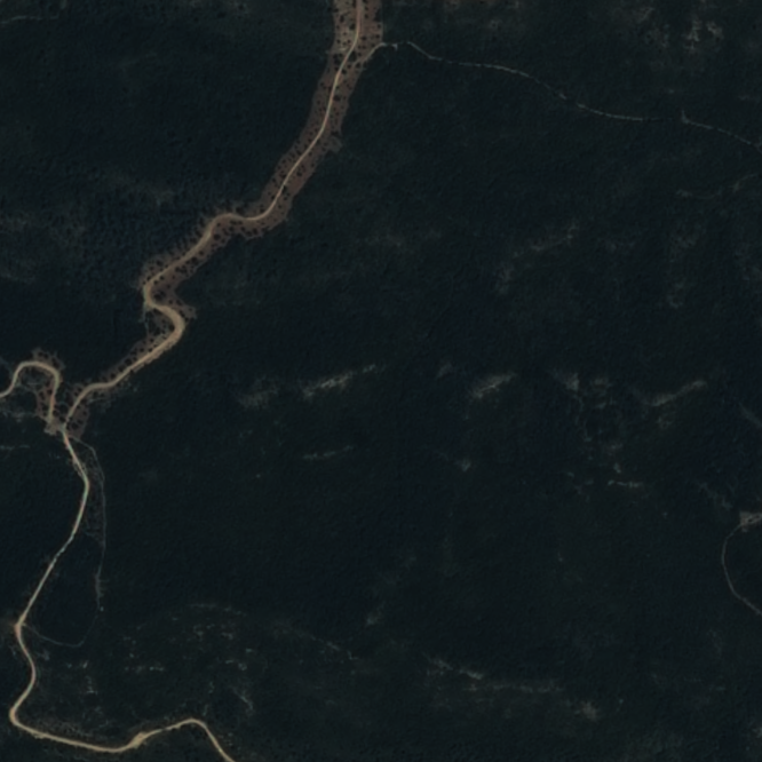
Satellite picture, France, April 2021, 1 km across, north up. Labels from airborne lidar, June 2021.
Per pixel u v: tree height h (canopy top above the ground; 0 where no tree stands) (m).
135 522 6
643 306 5
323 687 0
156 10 12
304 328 7
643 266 6
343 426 7
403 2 0
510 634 8
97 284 10
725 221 5
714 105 6
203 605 0
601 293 6
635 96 6
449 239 6
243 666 0
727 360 9
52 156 6
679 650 5
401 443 7
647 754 6
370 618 0
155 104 6
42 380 0
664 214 5
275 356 6
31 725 0
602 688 6
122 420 5
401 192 7
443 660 0
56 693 0
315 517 6
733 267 6
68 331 6
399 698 6
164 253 6
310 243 6
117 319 6
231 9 0
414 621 5
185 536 10
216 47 5
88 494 0
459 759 6
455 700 0
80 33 5
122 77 0
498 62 6
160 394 6
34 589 0
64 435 0
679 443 6
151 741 0
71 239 7
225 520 7
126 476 6
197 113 5
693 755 6
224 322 6
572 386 0
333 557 7
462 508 6
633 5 0
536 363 7
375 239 0
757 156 6
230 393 5
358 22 0
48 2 12
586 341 6
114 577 6
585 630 8
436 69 6
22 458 6
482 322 6
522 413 9
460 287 8
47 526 6
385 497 8
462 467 0
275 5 0
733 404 6
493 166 8
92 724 0
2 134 0
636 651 7
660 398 0
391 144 6
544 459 6
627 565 7
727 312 8
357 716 0
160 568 7
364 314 7
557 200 6
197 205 10
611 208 6
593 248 5
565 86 5
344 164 6
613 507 6
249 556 9
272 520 6
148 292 0
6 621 0
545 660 5
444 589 6
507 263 0
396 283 8
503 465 7
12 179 6
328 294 9
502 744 7
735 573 6
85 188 6
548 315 7
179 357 8
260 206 0
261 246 8
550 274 6
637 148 6
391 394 7
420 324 6
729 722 6
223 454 0
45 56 11
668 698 6
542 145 6
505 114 6
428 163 6
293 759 6
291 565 7
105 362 6
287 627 0
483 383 0
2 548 5
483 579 6
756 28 7
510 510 6
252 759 0
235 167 6
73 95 8
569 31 6
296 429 5
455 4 0
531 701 0
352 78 0
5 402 0
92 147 6
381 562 5
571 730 0
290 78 5
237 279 0
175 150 7
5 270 0
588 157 9
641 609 6
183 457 0
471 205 8
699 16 0
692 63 0
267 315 8
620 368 6
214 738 0
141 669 0
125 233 7
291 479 6
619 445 0
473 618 9
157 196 0
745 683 6
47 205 7
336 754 5
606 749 5
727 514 0
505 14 0
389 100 8
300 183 0
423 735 8
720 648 0
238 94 6
